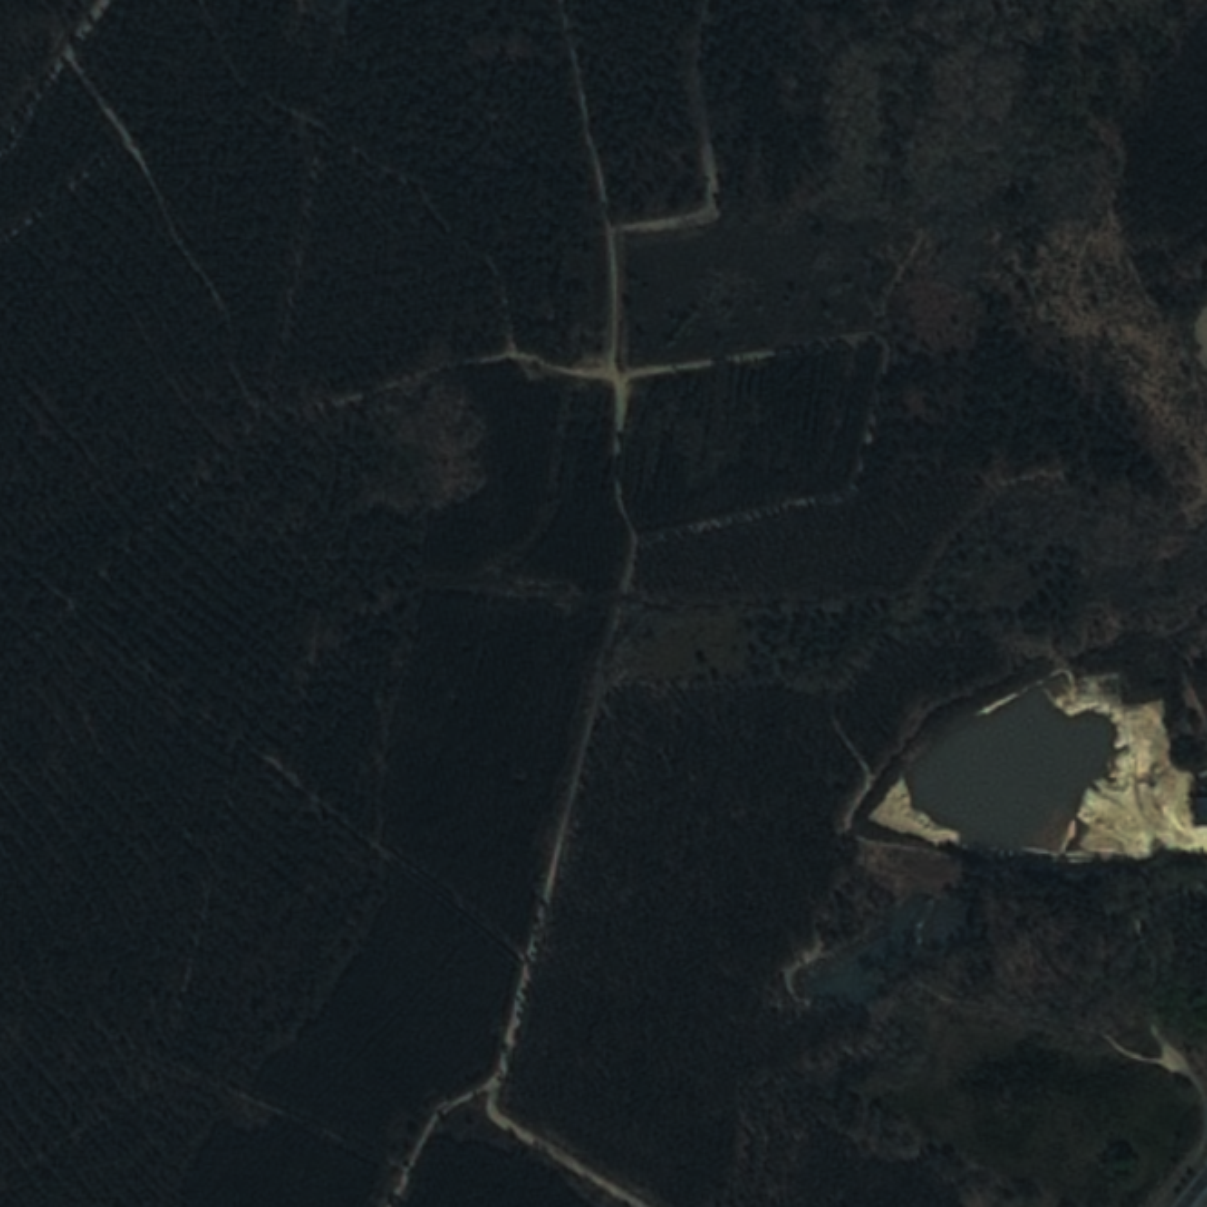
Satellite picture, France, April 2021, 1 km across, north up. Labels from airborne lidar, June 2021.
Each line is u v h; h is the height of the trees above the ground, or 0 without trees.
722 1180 13
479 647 10
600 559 9
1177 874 20
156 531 13
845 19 15
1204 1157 0
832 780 13
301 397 14
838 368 8
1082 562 16
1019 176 10
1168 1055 0
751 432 8
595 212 9
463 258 13
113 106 15
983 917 21
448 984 10
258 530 16
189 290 13
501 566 10
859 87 14
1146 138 9
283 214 13
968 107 11
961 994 11
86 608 15
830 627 15
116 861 17
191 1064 16
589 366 0
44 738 16
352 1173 10
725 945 12
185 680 13
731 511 8
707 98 11
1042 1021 17
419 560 11
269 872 14
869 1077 16
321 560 15
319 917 13
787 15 8
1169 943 17
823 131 10
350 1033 9
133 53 14
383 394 11
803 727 15
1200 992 10
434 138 13
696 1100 13
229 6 13
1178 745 0
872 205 16
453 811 10
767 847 13
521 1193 10
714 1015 13
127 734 15
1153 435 0
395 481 14
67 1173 14
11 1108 17
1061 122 8
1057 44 16
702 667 7
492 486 10
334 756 13
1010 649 7
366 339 14
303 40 12
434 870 8
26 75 15
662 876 14
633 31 15
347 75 13
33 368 14
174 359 13
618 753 11
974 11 12
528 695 9
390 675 12
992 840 0
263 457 14
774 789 15
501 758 7
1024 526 9
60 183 14
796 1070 14
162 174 15
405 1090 9
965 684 13
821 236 14
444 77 12
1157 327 0
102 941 15
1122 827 0
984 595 9
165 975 12
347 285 12
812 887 14
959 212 10
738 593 12
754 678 9
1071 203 12
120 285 15
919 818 0
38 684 17
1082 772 0
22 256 14
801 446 9
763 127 14
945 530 12
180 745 15
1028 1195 18
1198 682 0
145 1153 13
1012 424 13
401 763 9
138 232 15
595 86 14
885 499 14
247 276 14
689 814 14
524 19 13
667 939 14
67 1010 13
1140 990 16
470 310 14
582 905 13
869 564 12
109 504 15
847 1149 13
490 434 9
